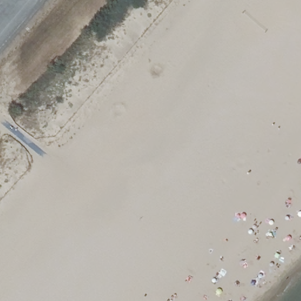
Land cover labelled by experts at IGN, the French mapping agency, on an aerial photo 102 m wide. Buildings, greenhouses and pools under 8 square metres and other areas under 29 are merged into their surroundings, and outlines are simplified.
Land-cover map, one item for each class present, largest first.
<instances>
[{"label":"bare soil","instance_id":"1","mask_svg":"<svg viewBox=\"0 0 301 301\"><path fill-rule=\"evenodd\" d=\"M100 46L111 47L105 66L96 68L98 75L93 81L80 82L79 86L66 83V91L72 89V98L63 100L56 106V118L48 122L47 128L44 127V123H40L39 127L44 131L45 139L36 140L31 135L25 138L24 134L15 129V122L8 109L0 105V133H7L14 136L13 142H7L5 146L4 156L5 159H9V162L6 163L5 168H2L0 166V301H261L262 295L277 285L282 277L287 275L288 270L295 267L296 261L301 259V0H147L145 7L129 9L121 25L107 34L105 40L100 41Z\"/></svg>","mask_w":301,"mask_h":301},{"label":"herbaceous vegetation","instance_id":"2","mask_svg":"<svg viewBox=\"0 0 301 301\"><path fill-rule=\"evenodd\" d=\"M106 5V0H48L0 55V105L8 109L15 122V129L24 134L25 138L31 135L36 140L45 139L44 131L39 127L40 123H44V127L47 128L48 122L56 118V106L63 100L72 98V89L66 91V83L79 86L80 82L93 81L98 75L96 68L105 66L111 47L100 46V41L93 32L91 38L82 46L83 52L76 51L71 67H66L65 71L56 75L54 80L49 82V87L40 92V99L33 101L32 105L20 99L19 95L25 93L34 81L46 72L48 63H51L55 56L62 55L71 47L78 39L82 28L89 25L94 15ZM14 136L7 133H0V166L2 168H5L6 163L9 162V159H5L4 156L5 146L7 142H13Z\"/></svg>","mask_w":301,"mask_h":301},{"label":"brushwood","instance_id":"3","mask_svg":"<svg viewBox=\"0 0 301 301\"><path fill-rule=\"evenodd\" d=\"M147 0H106V5L94 15L89 25L82 28L78 39L71 47L62 55L55 56L51 63H48L46 72L34 81L25 93L19 95L20 99L32 105L33 101L40 99V92L49 87V82L54 80L56 75L65 71L66 67H71L76 51L83 52L82 46L91 38L93 32L100 41L105 40L107 34L121 25L129 9L145 7Z\"/></svg>","mask_w":301,"mask_h":301},{"label":"impervious surface","instance_id":"4","mask_svg":"<svg viewBox=\"0 0 301 301\"><path fill-rule=\"evenodd\" d=\"M48 0H0V55Z\"/></svg>","mask_w":301,"mask_h":301},{"label":"water","instance_id":"5","mask_svg":"<svg viewBox=\"0 0 301 301\"><path fill-rule=\"evenodd\" d=\"M261 301H301V259L296 261L295 267L288 270L287 275L282 277L277 285L262 295Z\"/></svg>","mask_w":301,"mask_h":301}]
</instances>
